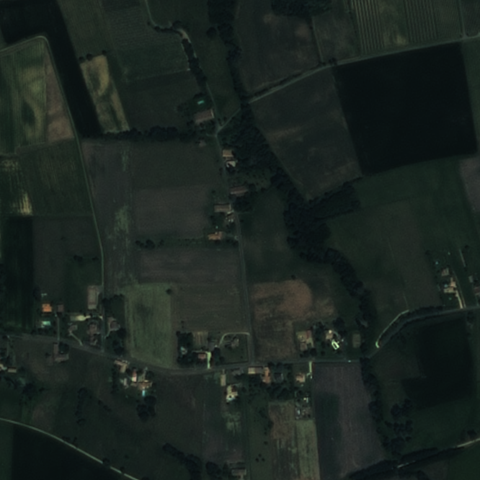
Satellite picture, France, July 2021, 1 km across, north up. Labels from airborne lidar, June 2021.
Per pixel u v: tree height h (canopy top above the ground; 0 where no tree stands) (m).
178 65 0
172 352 0
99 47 0
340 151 0
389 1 0
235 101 0
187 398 0
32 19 0
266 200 0
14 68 0
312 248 12
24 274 0
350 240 0
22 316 0
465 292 0
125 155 0
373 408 22
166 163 0
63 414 0
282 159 0
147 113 0
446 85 0
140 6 0
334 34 0
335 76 0
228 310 0
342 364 0
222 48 0
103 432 0
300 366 0
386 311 0
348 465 0
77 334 0
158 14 0
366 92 0
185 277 0
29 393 21
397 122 0
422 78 0
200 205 0
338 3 0
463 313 0
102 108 0
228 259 0
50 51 0
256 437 0
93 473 0
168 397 0
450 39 0
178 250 0
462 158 0
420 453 14
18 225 0
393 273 0
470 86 0
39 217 0
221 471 9
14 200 0
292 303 0
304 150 0
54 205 0
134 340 0
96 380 0
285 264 0
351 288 8
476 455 0
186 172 0
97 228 0
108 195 0
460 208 0
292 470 0
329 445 0
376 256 0
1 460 0
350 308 0
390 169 0
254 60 0
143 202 0
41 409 0
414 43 0
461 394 0
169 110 0
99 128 0
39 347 0
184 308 0
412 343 0
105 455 0
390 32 0
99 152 0
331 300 0
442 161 0
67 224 0
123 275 0
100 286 0
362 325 30
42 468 0
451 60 0
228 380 0
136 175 0
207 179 0
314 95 0
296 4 9
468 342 0
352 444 0
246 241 0
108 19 0
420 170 0
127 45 0
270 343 0
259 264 0
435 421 0
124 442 0
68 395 0
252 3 0
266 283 0
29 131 0
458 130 0
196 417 0
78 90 0
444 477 0
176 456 20
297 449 0
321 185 0
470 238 0
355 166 0
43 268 0
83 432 0
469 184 0
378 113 0
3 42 0
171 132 17
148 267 0
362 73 0
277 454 0
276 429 0
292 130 0
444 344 0
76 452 0
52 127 0
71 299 0
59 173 0
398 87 0
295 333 0
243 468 0
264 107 0
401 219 0
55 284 0
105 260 0
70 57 0
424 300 0
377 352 0
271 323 0
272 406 0
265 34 0
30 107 0
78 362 0
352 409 0
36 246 0
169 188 0
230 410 0
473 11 0
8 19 0
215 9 16
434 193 0
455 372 0
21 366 0
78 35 0
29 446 0
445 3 0
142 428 0
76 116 0
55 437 0
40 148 0
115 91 0
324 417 0
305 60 0
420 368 0
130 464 0
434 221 0
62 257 0
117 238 0
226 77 0
